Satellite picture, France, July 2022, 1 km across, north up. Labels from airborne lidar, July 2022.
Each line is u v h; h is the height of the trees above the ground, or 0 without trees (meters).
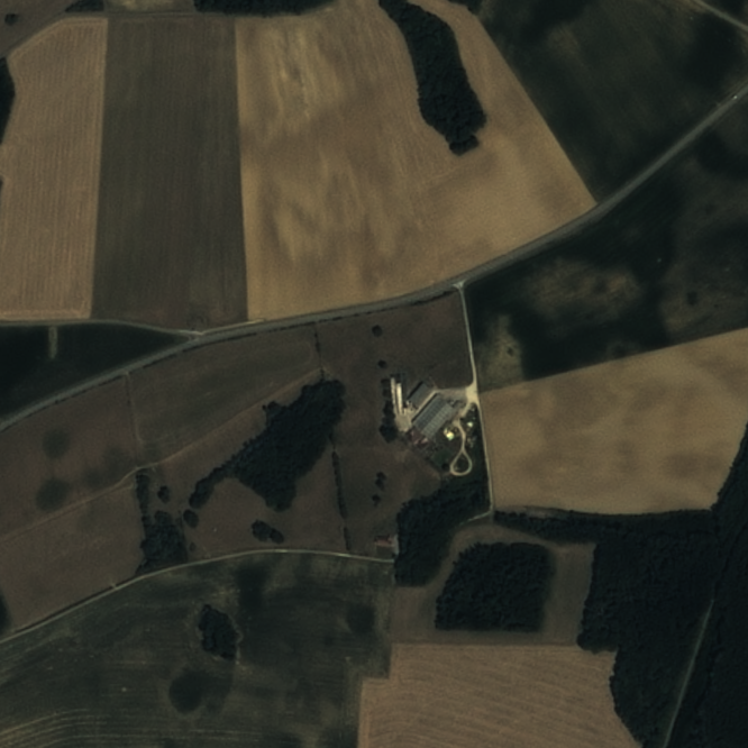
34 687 0
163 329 0
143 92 0
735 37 0
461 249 0
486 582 13
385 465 0
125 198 0
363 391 0
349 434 0
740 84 0
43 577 0
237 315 0
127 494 0
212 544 0
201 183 0
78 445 0
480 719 0
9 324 0
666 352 0
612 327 0
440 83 23
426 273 0
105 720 0
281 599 0
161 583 0
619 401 0
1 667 0
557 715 0
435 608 0
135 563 0
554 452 0
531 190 0
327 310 0
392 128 0
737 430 0
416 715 0
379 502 12
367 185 0
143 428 0
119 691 0
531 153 0
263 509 0
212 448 0
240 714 0
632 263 0
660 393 0
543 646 0
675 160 0
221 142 0
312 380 0
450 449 0
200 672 0
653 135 0
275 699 0
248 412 0
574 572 0
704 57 0
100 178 0
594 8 0
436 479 0
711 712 16
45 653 0
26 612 0
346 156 0
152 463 0
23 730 0
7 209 0
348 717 0
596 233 0
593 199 0
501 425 0
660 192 0
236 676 0
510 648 0
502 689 0
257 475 17
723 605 14
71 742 0
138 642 0
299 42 0
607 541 23
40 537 0
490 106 0
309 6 13
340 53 0
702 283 0
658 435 0
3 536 0
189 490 0
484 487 9
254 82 0
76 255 0
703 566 27
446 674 0
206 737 0
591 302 0
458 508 23
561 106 0
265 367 0
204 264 0
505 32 0
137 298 0
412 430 0
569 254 0
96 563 0
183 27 0
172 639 0
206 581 0
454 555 0
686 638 21
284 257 0
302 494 0
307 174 0
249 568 0
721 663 15
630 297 0
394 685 0
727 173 0
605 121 0
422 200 0
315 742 0
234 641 21
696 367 0
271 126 0
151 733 0
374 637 0
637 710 19
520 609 22
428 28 16
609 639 16
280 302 0
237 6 17
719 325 0
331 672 0
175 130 0
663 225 0
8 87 12
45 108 0
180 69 0
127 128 0
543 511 0
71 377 0
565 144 0
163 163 0
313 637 0
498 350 0
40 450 0
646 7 0
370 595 0
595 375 0
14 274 0
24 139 0
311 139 0
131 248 0
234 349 0
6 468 0
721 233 0
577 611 0
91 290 0
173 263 0
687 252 0
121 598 0
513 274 0
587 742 0
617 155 0
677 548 24
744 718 17
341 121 0
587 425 0
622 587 24
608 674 0
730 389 0
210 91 0
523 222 0
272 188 0
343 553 0
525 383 0
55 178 0
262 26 0
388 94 0
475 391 0
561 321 0
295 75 0
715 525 8
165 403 0
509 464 0
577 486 0
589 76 0
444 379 0
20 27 0
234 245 0
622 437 0
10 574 0
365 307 0
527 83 0
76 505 0
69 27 0
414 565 16
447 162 0
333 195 0
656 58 0
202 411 0
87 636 0
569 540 19
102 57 0
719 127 0
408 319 0
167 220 0
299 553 0
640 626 23
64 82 0
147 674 0
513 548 9
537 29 0
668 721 17
